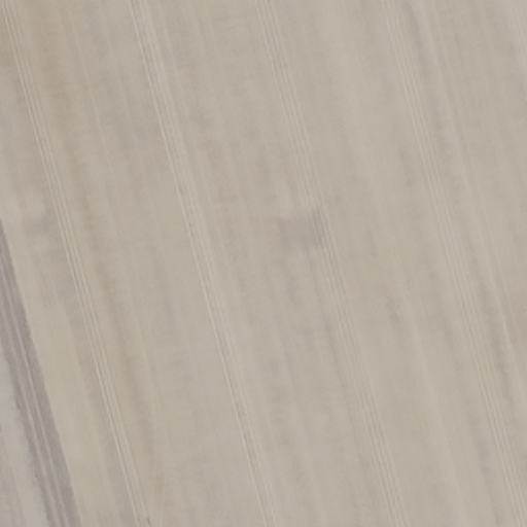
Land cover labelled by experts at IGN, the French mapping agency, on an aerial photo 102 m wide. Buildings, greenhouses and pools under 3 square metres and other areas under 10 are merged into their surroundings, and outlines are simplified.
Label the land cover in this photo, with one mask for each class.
<instances>
[{"label":"agricultural land","instance_id":"1","mask_svg":"<svg viewBox=\"0 0 527 527\"><path fill-rule=\"evenodd\" d=\"M0 527H527V0H0Z\"/></svg>","mask_w":527,"mask_h":527}]
</instances>
